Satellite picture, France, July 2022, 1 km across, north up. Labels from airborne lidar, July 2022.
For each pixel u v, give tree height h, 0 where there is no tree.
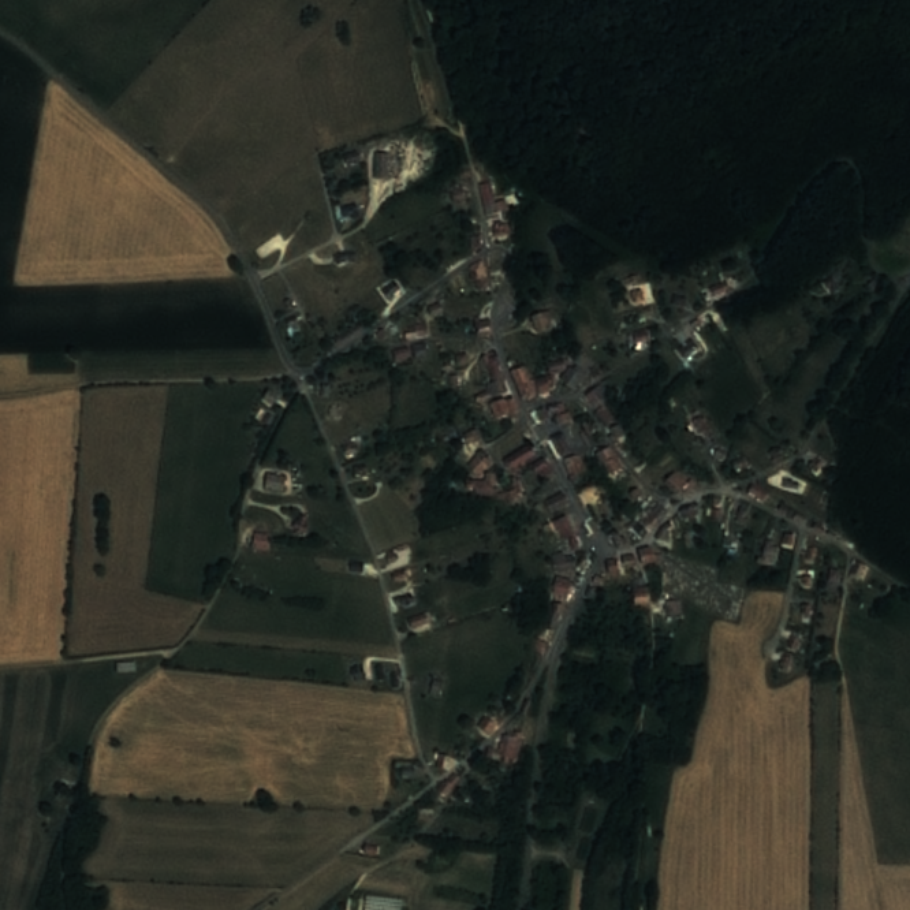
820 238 21
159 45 0
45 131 0
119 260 0
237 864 0
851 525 10
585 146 19
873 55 14
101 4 0
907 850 0
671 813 0
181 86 0
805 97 15
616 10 29
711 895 0
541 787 15
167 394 0
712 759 0
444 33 25
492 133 27
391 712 0
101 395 0
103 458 0
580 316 0
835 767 0
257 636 0
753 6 27
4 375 0
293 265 0
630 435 6
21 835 0
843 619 0
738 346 0
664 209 18
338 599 0
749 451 0
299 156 0
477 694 0
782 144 14
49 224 0
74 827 18
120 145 0
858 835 0
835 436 10
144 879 0
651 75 33
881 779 0
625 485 0
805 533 0
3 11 0
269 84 0
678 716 7
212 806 0
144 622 0
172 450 0
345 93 0
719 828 0
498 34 31
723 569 6
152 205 0
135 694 0
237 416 0
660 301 5
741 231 13
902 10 17
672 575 0
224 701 0
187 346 0
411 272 0
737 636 0
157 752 0
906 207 18
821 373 0
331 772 0
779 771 0
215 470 0
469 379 0
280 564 0
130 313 0
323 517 0
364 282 0
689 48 30
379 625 0
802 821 0
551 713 9
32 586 0
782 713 0
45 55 0
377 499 0
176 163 0
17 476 0
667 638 7
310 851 0
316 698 0
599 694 12
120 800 0
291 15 0
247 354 0
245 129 0
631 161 22
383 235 0
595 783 11
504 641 0
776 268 21
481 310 0
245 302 0
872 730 0
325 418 0
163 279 0
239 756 0
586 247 23
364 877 0
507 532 8
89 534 0
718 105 15
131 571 0
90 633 0
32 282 0
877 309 14
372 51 0
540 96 34
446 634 0
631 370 0
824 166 16
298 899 0
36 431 0
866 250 13
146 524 0
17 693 0
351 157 0
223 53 0
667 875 0
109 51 0
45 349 0
